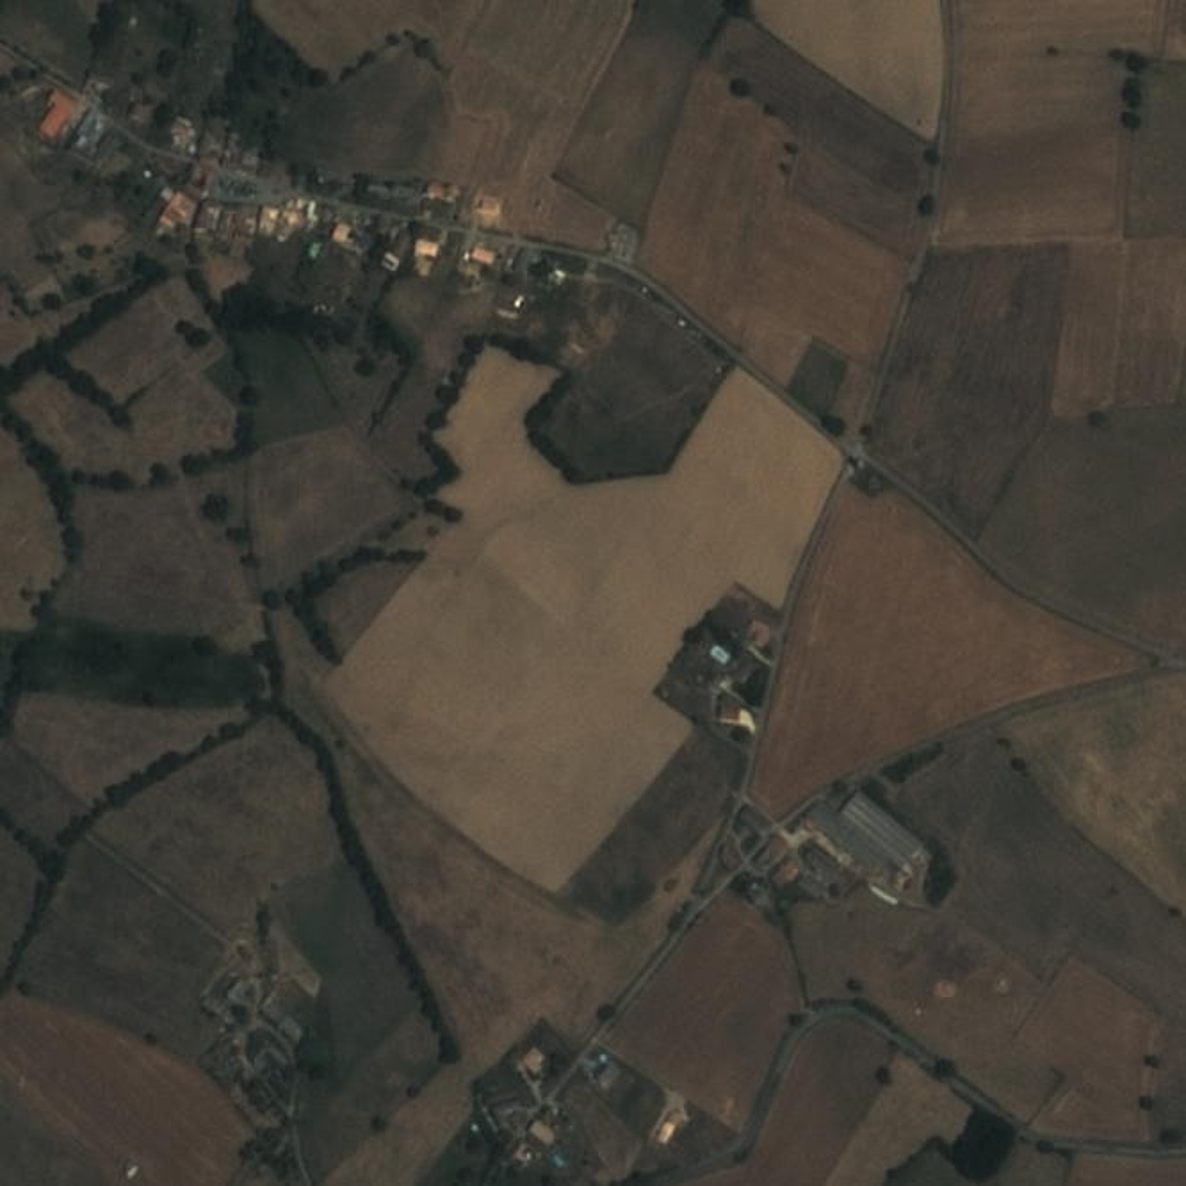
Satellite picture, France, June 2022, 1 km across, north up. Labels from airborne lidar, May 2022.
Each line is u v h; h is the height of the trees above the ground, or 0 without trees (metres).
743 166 0
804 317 0
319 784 0
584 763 0
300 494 0
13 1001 0
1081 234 0
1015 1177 0
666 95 0
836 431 12
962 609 0
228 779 0
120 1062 0
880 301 0
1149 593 0
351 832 14
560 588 0
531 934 0
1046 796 0
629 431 0
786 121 0
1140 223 0
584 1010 0
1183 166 0
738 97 12
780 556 0
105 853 0
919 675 0
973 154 0
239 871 0
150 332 0
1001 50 0
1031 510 0
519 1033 0
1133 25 0
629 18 0
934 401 0
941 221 0
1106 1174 0
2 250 0
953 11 0
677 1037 0
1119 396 0
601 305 0
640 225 0
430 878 0
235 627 0
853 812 0
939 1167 0
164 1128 0
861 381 0
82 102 0
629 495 0
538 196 0
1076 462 0
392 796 0
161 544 0
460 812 0
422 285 0
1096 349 0
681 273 0
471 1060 0
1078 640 0
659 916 0
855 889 0
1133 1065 0
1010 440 0
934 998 0
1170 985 0
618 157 0
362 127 0
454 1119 0
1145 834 0
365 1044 0
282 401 0
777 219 0
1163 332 0
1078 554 0
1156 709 0
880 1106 0
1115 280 0
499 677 0
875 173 0
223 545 0
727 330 0
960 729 0
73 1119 0
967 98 0
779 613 0
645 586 0
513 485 0
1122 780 0
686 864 0
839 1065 0
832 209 0
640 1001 0
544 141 0
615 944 0
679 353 0
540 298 0
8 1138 0
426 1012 11
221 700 0
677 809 0
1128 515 0
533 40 0
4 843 0
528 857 0
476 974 0
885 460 0
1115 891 8
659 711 0
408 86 0
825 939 0
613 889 0
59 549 0
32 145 0
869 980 0
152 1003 0
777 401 0
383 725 0
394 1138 0
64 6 0
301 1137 0
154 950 0
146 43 0
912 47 0
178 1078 0
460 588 0
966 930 0
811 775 0
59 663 0
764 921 0
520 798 0
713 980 0
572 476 14
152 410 0
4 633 0
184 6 13
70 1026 0
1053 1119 0
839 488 0
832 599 0
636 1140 0
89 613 0
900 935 0
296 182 6
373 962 0
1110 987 0
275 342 0
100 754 0
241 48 10
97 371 0
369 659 0
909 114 0
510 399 0
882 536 0
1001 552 0
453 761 0
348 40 0
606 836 0
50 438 0
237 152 0
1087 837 0
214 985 0
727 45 0
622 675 0
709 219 0
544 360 9
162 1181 0
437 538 0
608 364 0
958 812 0
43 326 0
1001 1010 0
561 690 0
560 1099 0
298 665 0
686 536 0
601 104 0
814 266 0
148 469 0
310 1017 0
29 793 0
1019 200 0
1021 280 0
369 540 0
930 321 0
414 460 0
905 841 0
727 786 0
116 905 0
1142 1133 0
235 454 11
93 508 0
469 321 0
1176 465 0
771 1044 0
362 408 0
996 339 0
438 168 0
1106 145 0
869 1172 0
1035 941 0
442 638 0
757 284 0
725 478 0
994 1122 16
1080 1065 0
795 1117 0
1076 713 0
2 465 0
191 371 0
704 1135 0
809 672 0
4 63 0
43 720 0
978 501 0
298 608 15
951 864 0
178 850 0
